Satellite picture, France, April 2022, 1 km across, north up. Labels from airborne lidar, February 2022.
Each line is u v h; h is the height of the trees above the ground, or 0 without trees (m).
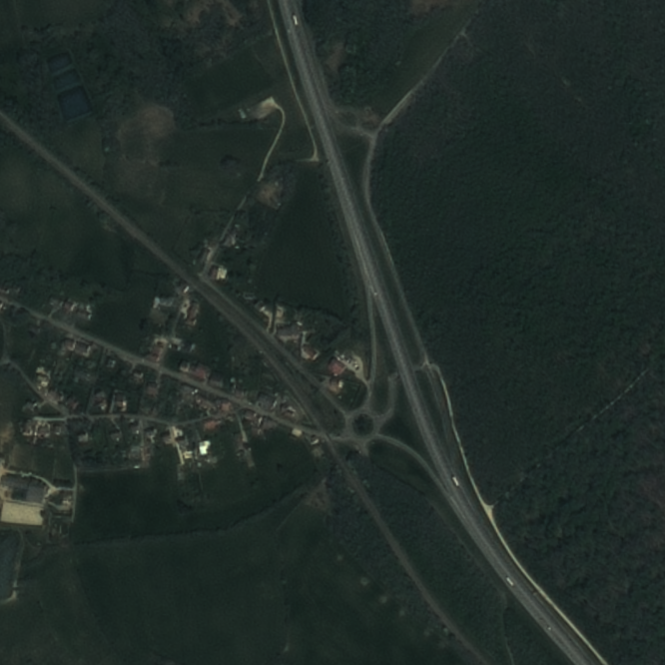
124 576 0
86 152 0
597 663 0
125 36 22
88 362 7
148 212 0
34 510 0
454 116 14
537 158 14
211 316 0
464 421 16
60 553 0
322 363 0
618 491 27
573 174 15
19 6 0
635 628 25
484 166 14
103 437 0
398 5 21
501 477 16
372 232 0
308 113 0
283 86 0
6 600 0
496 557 0
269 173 7
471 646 0
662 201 16
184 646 0
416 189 14
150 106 0
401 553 0
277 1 0
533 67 18
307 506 0
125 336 0
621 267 16
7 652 0
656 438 26
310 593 0
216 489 0
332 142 0
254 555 0
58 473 0
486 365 17
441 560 0
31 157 7
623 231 15
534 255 14
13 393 0
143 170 0
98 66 0
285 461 0
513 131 17
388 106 0
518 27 18
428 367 0
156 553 0
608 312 15
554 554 21
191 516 0
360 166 0
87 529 0
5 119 0
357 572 0
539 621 0
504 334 0
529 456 17
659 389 27
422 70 0
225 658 0
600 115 19
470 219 15
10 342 0
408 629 0
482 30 18
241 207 0
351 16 26
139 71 21
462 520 0
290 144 0
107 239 0
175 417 8
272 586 0
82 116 0
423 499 17
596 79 18
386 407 0
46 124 17
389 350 0
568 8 19
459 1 0
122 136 0
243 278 16
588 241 16
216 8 6
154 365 0
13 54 0
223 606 0
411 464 0
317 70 0
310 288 0
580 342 17
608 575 27
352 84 20
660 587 21
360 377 0
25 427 0
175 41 5
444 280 15
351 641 0
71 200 0
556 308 18
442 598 11
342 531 20
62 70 0
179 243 0
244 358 0
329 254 0
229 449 0
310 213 0
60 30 6
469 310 19
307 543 0
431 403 0
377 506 14
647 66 13
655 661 24
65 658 0
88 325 0
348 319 0
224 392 0
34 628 0
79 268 0
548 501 26
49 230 0
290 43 0
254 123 10
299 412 0
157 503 0
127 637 0
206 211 0
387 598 0
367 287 0
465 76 15
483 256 13
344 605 0
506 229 13
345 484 19
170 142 0
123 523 0
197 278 0
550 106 17
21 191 0
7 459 0
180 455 0
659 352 16
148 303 0
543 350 16
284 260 0
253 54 0
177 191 0
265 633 0
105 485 0
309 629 0
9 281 9
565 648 0
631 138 19
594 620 10
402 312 0
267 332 0
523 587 0
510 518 17
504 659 13
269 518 0
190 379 0
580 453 24
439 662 0
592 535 27
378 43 10
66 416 0
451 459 0
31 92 12
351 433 0
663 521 26
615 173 15
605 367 15
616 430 24
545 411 16
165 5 0
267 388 0
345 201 0
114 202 6
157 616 0
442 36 0
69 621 0
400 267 8
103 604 0
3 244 0
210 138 0
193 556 0
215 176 0
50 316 0
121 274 0
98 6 0
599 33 14
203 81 0
